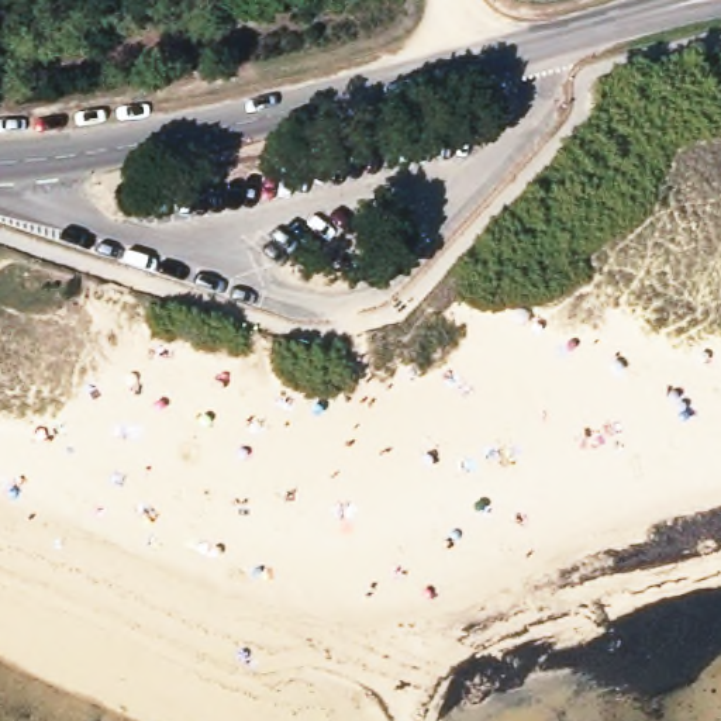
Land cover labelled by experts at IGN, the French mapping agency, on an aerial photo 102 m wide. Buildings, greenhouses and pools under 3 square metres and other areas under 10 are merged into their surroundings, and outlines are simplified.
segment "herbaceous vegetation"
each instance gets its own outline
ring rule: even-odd
[[[656,34],[667,45],[684,37],[687,45],[707,37],[710,23],[676,25]]]
[[[501,656],[470,656],[451,670],[451,684],[439,707],[439,718],[453,713],[468,696],[468,682],[476,676],[496,682],[499,690],[507,693],[510,687],[524,684],[524,679],[532,670],[558,667],[586,673],[597,682],[597,687],[620,687],[622,696],[642,701],[656,696],[673,696],[690,687],[704,673],[704,667],[721,656],[721,586],[656,600],[617,620],[600,620],[597,625],[603,628],[603,634],[572,648],[555,648],[552,642],[527,642],[504,651]]]
[[[68,301],[62,299],[62,296],[59,296],[59,293],[51,293],[48,287],[45,287],[45,284],[42,284],[28,290],[23,282],[23,268],[17,265],[0,270],[0,301],[6,307],[31,313],[59,310]]]

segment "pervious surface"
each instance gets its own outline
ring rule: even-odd
[[[73,265],[54,262],[0,242],[0,270],[17,265],[23,268],[23,282],[28,290],[42,284],[42,282],[70,282],[70,279],[79,279],[79,276],[82,276],[82,293],[87,301],[118,307],[121,313],[127,313],[130,321],[146,324],[146,310],[158,296],[138,290],[121,279],[87,273]]]
[[[273,197],[282,186],[273,183],[259,166],[265,144],[262,138],[253,138],[251,144],[242,144],[237,166],[228,172],[228,180],[259,175],[262,194]]]
[[[268,372],[273,366],[270,349],[279,332],[253,324],[251,338],[251,355],[239,358],[253,372]]]
[[[287,341],[332,352],[361,380],[375,380],[377,372],[394,377],[397,366],[403,363],[428,372],[434,366],[437,349],[453,352],[459,346],[459,341],[468,332],[465,324],[476,310],[462,304],[462,296],[456,293],[456,276],[451,270],[403,321],[369,330],[369,352],[363,355],[358,355],[352,338],[341,332],[284,332]]]
[[[214,104],[222,99],[256,101],[256,96],[262,93],[279,93],[282,84],[304,82],[313,76],[330,76],[352,65],[369,65],[380,56],[397,76],[411,73],[434,59],[479,54],[487,45],[501,42],[521,28],[552,31],[580,20],[600,17],[608,8],[603,0],[408,0],[406,17],[400,17],[389,28],[377,28],[366,39],[352,39],[327,48],[313,45],[299,54],[276,56],[270,62],[245,62],[231,79],[203,79],[192,73],[189,79],[180,79],[161,90],[127,87],[121,93],[70,96],[37,107],[17,104],[8,110],[0,104],[0,121],[17,121],[20,127],[42,127],[45,115],[59,113],[70,121],[76,113],[84,113],[87,107],[101,110],[104,104],[110,104],[113,110],[118,110],[130,107],[132,101],[141,101],[141,107],[152,113],[172,113],[177,121],[186,118],[186,107]]]

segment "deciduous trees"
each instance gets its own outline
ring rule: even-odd
[[[324,220],[324,225],[318,231],[313,231],[304,220],[282,225],[284,242],[265,242],[268,251],[276,262],[299,265],[304,279],[324,273],[332,282],[363,282],[369,287],[389,287],[397,276],[408,276],[422,259],[431,259],[442,248],[445,183],[403,169],[375,192],[372,200],[363,200],[358,208],[318,211],[318,220]]]
[[[234,130],[186,118],[177,121],[163,124],[135,149],[127,152],[121,183],[115,189],[115,203],[124,214],[166,220],[177,208],[206,214],[256,206],[262,194],[259,175],[228,180],[228,172],[237,166],[242,144],[239,132]]]
[[[473,152],[482,144],[493,144],[507,127],[515,127],[527,115],[535,99],[535,84],[532,79],[524,79],[524,59],[518,56],[515,45],[501,42],[487,45],[479,54],[434,59],[411,73],[397,76],[391,82],[377,84],[369,84],[363,76],[355,76],[346,84],[346,90],[313,93],[307,104],[296,107],[287,118],[276,124],[265,144],[259,166],[273,183],[282,186],[299,192],[304,186],[313,186],[315,180],[344,183],[349,177],[394,166],[400,155],[411,161],[434,161],[445,152]]]
[[[408,0],[0,0],[0,104],[8,110],[17,104],[37,107],[70,96],[121,93],[127,87],[161,90],[180,79],[189,79],[192,73],[203,79],[231,79],[245,62],[270,62],[276,56],[299,54],[313,45],[327,48],[352,39],[366,39],[377,28],[389,28],[400,17],[406,17]]]

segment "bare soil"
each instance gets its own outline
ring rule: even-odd
[[[501,313],[476,310],[465,324],[468,332],[459,341],[459,346],[453,352],[437,349],[434,366],[428,372],[403,363],[397,366],[394,377],[377,372],[375,380],[361,380],[355,391],[332,397],[324,408],[318,406],[318,400],[310,400],[301,391],[284,386],[276,377],[273,366],[268,372],[253,372],[239,358],[231,358],[225,352],[200,352],[186,341],[152,338],[146,324],[130,321],[127,313],[121,313],[118,307],[87,301],[82,293],[79,293],[76,299],[68,299],[68,301],[59,310],[31,313],[6,307],[0,301],[0,721],[721,721],[721,656],[704,667],[704,673],[690,687],[673,696],[656,696],[642,701],[622,696],[620,687],[597,687],[597,682],[586,673],[558,667],[532,670],[524,679],[524,684],[510,687],[507,693],[499,690],[496,682],[476,676],[468,682],[468,696],[453,713],[439,718],[439,707],[451,684],[451,670],[470,656],[501,656],[504,651],[527,642],[552,642],[555,648],[572,648],[603,634],[603,628],[597,625],[600,620],[617,620],[656,600],[721,586],[721,135],[698,138],[676,149],[670,169],[665,175],[665,180],[670,183],[667,206],[656,206],[653,214],[648,214],[625,237],[594,251],[591,282],[569,290],[563,299],[546,307]]]

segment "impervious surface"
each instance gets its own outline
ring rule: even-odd
[[[256,206],[206,214],[177,208],[166,220],[124,214],[115,203],[115,189],[121,183],[127,152],[135,149],[163,124],[177,121],[172,113],[152,113],[141,107],[141,101],[132,101],[130,107],[118,110],[113,110],[110,104],[104,104],[101,110],[87,107],[84,113],[76,113],[70,121],[59,113],[45,115],[42,127],[20,127],[17,121],[0,121],[0,242],[54,262],[73,265],[87,273],[121,279],[138,290],[158,296],[175,296],[177,304],[186,310],[220,315],[231,321],[239,335],[251,338],[253,324],[279,332],[284,332],[341,332],[352,338],[358,355],[363,355],[369,352],[369,330],[403,321],[451,270],[453,262],[487,228],[487,222],[552,163],[563,141],[575,132],[575,127],[580,127],[591,115],[594,84],[603,73],[614,70],[625,59],[659,62],[667,56],[670,48],[687,45],[684,37],[667,45],[656,34],[676,25],[710,23],[721,17],[721,0],[603,0],[608,8],[600,17],[580,20],[552,31],[521,28],[501,42],[515,45],[518,56],[524,59],[524,79],[532,79],[535,84],[535,99],[527,115],[515,127],[507,127],[493,144],[482,144],[473,152],[445,152],[434,161],[411,161],[400,155],[394,166],[349,177],[344,183],[315,180],[313,186],[304,186],[299,192],[282,186],[273,197],[262,194]],[[363,200],[372,200],[375,192],[403,169],[445,183],[442,248],[431,259],[422,259],[408,276],[397,276],[389,287],[369,287],[363,282],[332,282],[324,273],[304,279],[299,265],[276,262],[268,251],[265,242],[284,242],[282,225],[304,220],[313,231],[318,231],[324,225],[324,220],[318,220],[318,211],[358,208]]]
[[[380,56],[369,65],[352,65],[330,76],[313,76],[304,82],[282,84],[279,93],[262,93],[256,96],[256,101],[222,99],[214,104],[186,107],[186,118],[234,130],[239,132],[242,144],[251,144],[253,138],[262,138],[265,144],[276,124],[287,118],[296,107],[307,104],[313,93],[346,90],[346,84],[355,76],[363,76],[369,84],[377,84],[391,82],[397,76]]]

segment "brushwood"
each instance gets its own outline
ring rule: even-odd
[[[279,332],[270,349],[273,366],[276,377],[284,386],[301,391],[310,400],[318,400],[318,406],[324,408],[332,397],[355,391],[361,380],[332,352],[287,341],[284,332]]]
[[[68,299],[76,299],[79,293],[82,293],[82,276],[79,276],[79,279],[70,279],[70,282],[42,282],[42,284],[45,284],[45,287],[48,287],[51,293],[59,293],[59,296],[62,296],[62,299],[68,301]]]
[[[580,127],[575,127],[575,132],[563,141],[552,163],[487,222],[487,228],[453,262],[451,270],[456,276],[456,293],[462,296],[462,304],[476,310],[501,313],[546,307],[563,299],[569,290],[591,282],[594,251],[625,237],[648,214],[653,214],[656,206],[667,206],[670,183],[665,180],[665,175],[670,169],[676,149],[698,138],[721,135],[721,17],[710,23],[707,37],[687,45],[670,48],[667,56],[659,62],[625,59],[614,70],[603,73],[594,84],[591,115]]]
[[[175,296],[158,296],[146,310],[146,324],[152,338],[186,341],[200,352],[225,352],[231,358],[239,358],[251,355],[251,338],[239,335],[231,321],[220,315],[186,310],[177,304]]]

